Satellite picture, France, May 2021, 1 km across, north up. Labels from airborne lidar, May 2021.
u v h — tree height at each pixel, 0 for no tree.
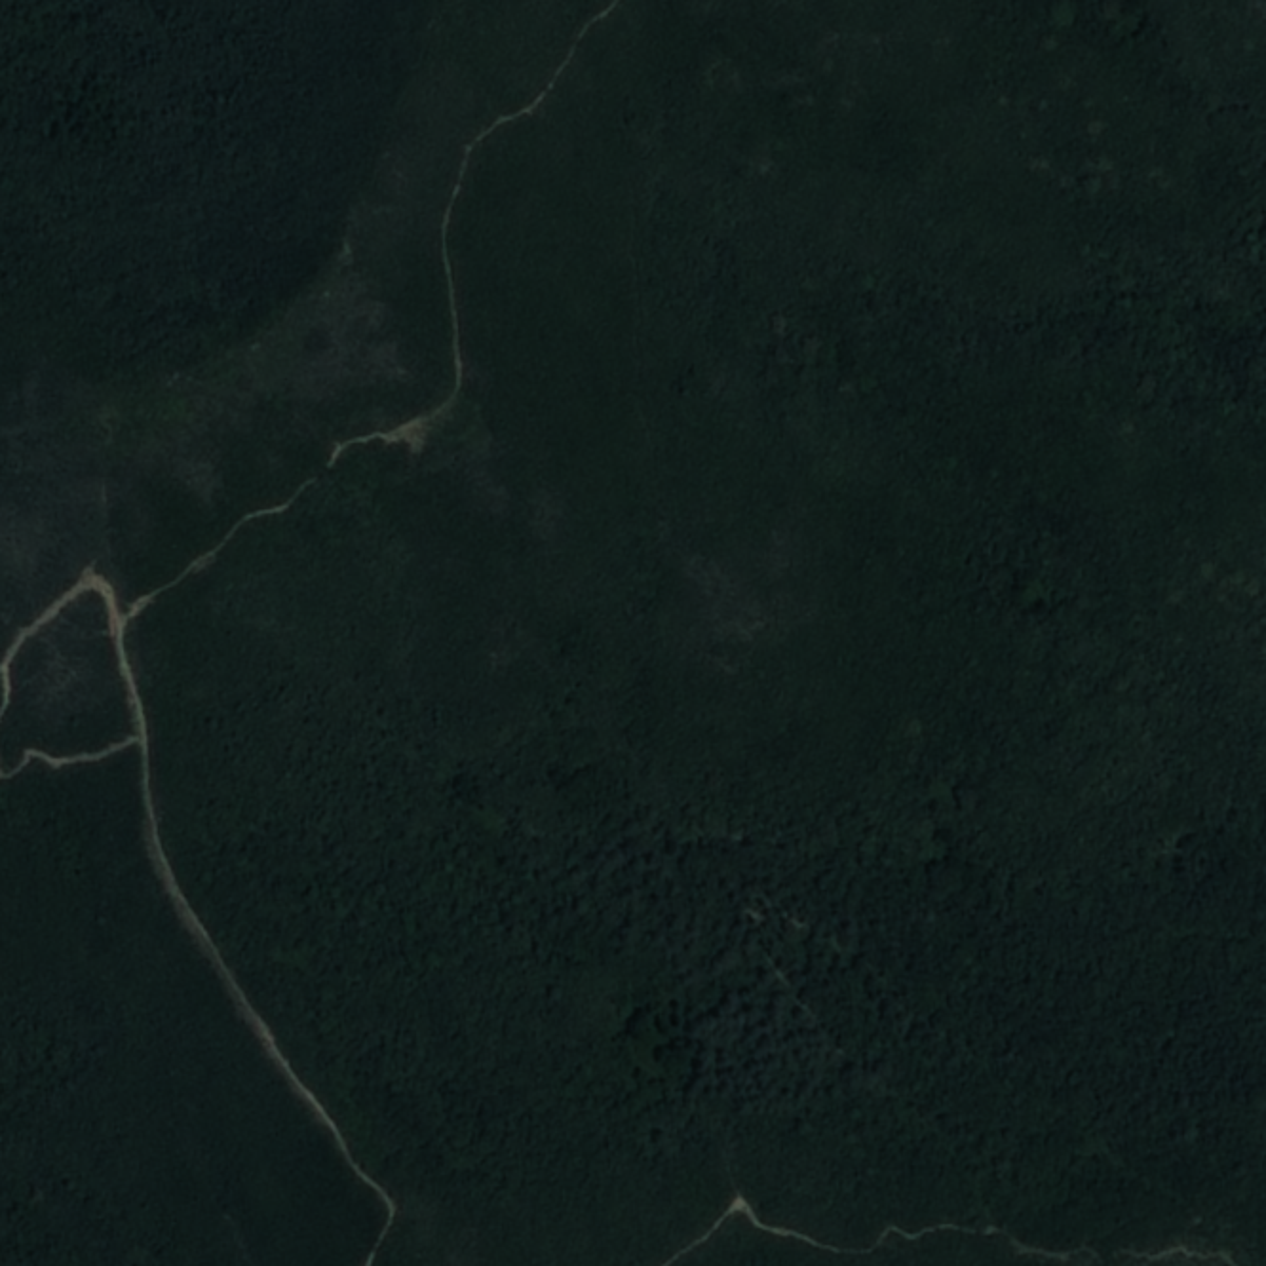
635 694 8
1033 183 7
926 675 7
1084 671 10
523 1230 6
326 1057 8
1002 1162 12
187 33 8
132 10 7
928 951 9
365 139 6
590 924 11
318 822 10
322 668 7
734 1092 12
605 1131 6
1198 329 16
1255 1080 14
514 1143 6
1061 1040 14
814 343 15
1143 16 10
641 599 7
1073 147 8
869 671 10
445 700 7
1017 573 15
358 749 6
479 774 7
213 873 9
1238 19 7
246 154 7
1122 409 11
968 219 7
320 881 10
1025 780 10
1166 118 7
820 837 22
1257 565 6
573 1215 7
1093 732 10
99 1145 7
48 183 8
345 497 10
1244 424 7
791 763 10
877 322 8
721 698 5
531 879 12
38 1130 7
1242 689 9
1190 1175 9
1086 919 13
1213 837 26
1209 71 6
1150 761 9
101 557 0
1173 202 8
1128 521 10
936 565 8
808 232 9
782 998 20
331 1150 8
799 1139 11
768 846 24
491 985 6
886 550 9
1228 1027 13
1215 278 10
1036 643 10
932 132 6
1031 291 10
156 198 9
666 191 10
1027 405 7
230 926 10
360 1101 7
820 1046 20
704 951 6
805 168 6
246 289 9
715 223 7
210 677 8
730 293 12
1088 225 10
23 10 10
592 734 10
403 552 7
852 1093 10
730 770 9
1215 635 9
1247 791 17
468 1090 9
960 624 9
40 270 7
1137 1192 10
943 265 8
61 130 20
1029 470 9
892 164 11
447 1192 8
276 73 8
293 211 9
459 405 0
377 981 7
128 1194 7
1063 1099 10
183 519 5
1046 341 13
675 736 8
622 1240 6
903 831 11
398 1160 7
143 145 7
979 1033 14
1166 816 18
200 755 6
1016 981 12
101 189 8
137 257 8
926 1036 10
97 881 6
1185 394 12
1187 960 9
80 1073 9
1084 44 8
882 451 7
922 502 7
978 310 19
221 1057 6
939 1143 12
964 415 8
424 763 7
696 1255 6
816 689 7
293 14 8
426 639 6
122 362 7
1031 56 6
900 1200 8
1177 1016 8
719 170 6
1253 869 17
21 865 6
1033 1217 10
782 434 7
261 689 7
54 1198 7
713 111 7
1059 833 10
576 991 7
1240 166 13
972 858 14
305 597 7
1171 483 7
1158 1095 9
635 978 9
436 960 14
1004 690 10
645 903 12
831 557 6
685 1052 21
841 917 12
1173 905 16
